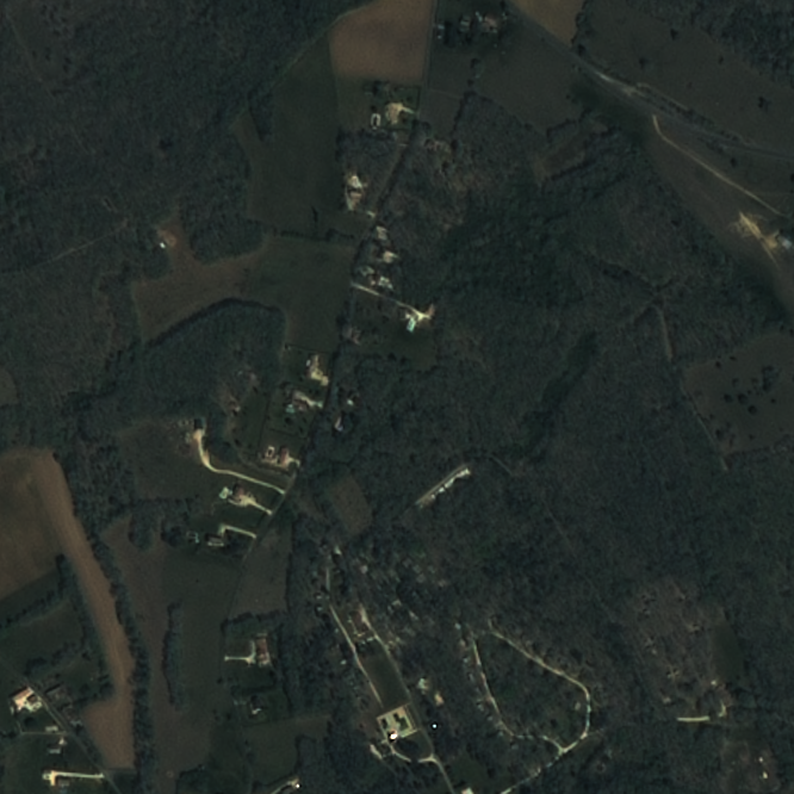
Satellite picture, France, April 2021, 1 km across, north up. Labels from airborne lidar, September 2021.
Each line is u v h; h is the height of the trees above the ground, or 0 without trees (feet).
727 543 47
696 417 23
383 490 45
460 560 60
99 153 30
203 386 55
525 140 56
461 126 48
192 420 42
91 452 35
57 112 33
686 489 55
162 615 0
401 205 46
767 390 31
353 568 57
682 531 77
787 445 37
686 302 47
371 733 0
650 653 38
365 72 0
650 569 51
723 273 44
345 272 0
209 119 44
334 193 0
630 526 64
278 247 0
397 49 0
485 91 0
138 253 40
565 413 43
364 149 57
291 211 0
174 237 0
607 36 0
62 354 50
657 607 47
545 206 24
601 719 46
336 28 0
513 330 61
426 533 42
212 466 0
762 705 60
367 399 45
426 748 0
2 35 32
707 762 52
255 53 54
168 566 0
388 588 48
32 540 0
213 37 25
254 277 0
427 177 55
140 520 56
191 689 0
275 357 55
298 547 42
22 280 36
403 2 0
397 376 35
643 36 0
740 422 0
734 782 0
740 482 50
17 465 0
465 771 0
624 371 57
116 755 0
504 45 33
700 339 60
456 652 56
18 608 0
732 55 39
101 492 37
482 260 50
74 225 31
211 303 0
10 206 53
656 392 51
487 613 53
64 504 0
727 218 0
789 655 55
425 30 0
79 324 48
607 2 0
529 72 0
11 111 48
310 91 0
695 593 73
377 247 32
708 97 0
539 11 0
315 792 65
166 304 0
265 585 0
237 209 39
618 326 54
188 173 49
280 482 0
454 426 49
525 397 58
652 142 0
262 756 0
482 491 61
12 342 52
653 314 36
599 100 0
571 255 42
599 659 39
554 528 42
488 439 57
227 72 59
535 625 37
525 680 63
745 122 0
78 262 33
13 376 41
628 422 73
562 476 56
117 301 41
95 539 31
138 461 0
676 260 49
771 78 34
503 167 25
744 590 43
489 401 59
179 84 56
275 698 0
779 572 45
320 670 34
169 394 49
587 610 45
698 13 40
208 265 48
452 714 51
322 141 0
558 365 60
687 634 48
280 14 74
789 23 51
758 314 31
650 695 52
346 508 0
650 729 53
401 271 49
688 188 0
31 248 32
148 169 28
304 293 0
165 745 0
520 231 19
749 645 43
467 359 37
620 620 53
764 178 0
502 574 38
